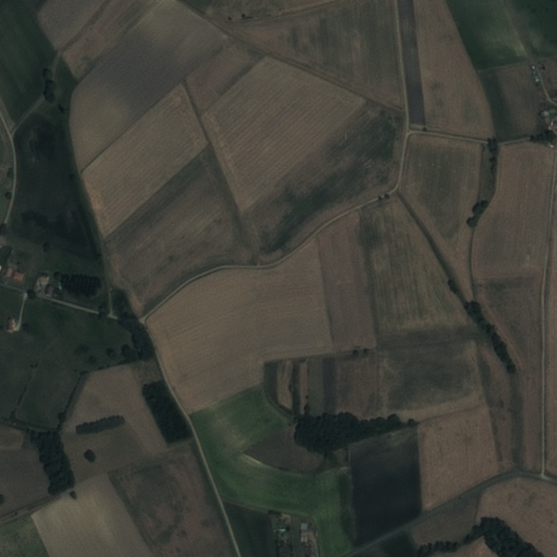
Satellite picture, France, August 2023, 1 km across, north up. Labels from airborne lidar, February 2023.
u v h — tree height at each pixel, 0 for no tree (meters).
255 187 0
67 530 0
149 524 0
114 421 14
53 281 0
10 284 0
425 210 0
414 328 0
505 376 0
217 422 0
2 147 0
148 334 28
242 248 0
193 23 0
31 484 0
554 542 0
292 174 0
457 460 0
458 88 0
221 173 0
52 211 0
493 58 0
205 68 0
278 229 0
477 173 0
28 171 0
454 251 0
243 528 0
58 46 0
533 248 0
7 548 0
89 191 0
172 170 0
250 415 0
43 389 0
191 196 0
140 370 0
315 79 0
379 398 0
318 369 0
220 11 0
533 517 0
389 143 0
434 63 0
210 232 0
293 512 0
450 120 0
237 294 0
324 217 0
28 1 0
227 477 0
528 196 0
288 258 0
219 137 0
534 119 0
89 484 0
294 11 0
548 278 0
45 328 0
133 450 0
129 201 0
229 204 0
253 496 0
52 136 0
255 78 0
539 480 0
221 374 0
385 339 0
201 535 0
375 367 0
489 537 19
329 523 0
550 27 0
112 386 0
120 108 0
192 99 0
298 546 0
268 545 0
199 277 0
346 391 0
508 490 0
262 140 0
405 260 0
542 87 0
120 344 0
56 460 13
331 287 0
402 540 0
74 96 0
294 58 0
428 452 0
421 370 0
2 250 0
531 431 0
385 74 0
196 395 0
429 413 0
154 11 0
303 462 0
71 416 0
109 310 0
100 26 0
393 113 0
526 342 0
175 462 0
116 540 0
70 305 0
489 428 0
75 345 0
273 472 0
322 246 0
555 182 0
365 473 0
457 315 0
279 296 0
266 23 0
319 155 0
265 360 0
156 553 0
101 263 0
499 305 0
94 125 0
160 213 0
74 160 0
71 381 0
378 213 0
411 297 0
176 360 0
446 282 0
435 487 0
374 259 0
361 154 0
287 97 0
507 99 0
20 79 0
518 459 0
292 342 0
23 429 0
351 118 0
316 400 0
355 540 0
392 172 0
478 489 0
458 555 0
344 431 16
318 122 0
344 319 0
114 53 0
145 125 0
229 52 0
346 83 0
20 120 0
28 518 0
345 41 0
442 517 0
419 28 0
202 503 0
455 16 0
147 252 0
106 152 0
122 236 0
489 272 0
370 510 0
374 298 0
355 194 0
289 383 0
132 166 0
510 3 0
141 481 0
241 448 0
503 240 0
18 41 0
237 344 0
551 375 0
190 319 0
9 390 0
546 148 0
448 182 0
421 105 0
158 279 0
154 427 0
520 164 0
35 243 0
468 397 0
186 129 0
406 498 0
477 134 0
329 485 0
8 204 0
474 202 0
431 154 0
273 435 0
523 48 0
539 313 0
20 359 0
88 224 0
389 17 0
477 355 0
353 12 0
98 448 0
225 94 0
